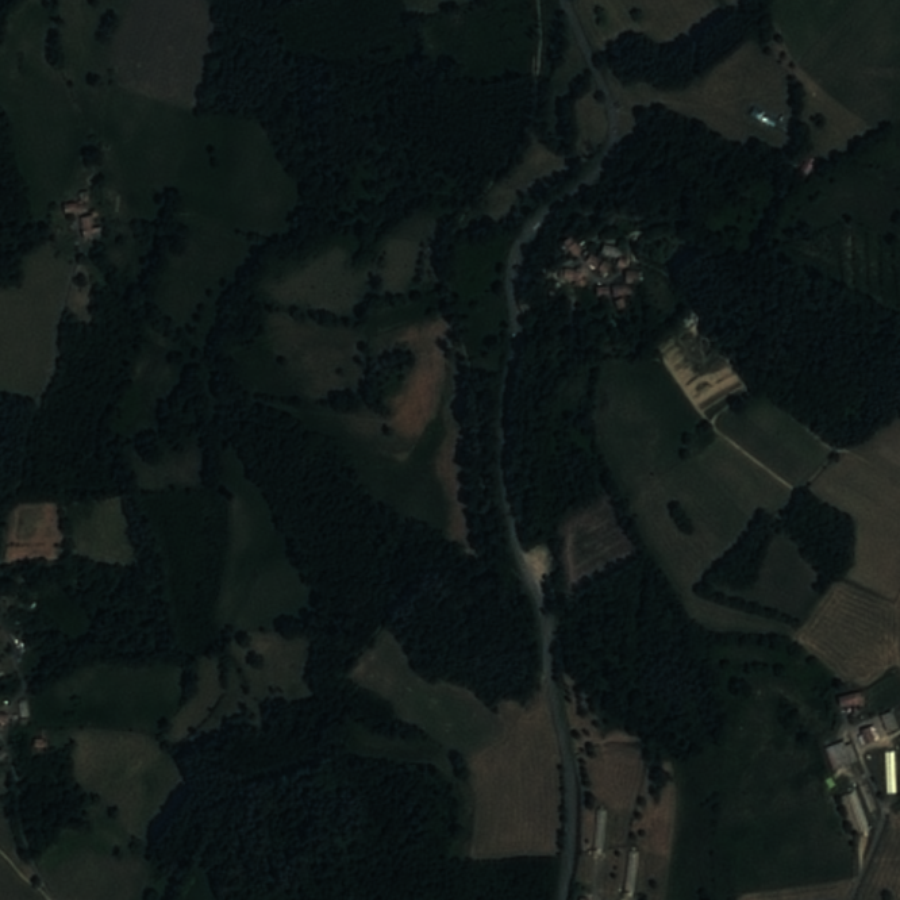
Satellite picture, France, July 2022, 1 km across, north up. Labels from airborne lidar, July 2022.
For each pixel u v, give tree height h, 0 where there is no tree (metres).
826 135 0
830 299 30
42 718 0
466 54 0
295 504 11
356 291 0
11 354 0
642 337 7
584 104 0
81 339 10
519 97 9
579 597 8
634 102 0
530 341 22
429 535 21
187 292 0
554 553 9
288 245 21
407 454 0
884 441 0
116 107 0
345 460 10
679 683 18
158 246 20
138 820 0
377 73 9
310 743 10
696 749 11
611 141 0
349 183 16
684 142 13
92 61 0
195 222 0
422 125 14
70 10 0
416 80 9
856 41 0
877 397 22
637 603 9
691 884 0
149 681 0
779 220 18
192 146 0
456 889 8
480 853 0
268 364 0
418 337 0
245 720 8
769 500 0
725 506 0
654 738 15
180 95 0
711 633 11
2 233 22
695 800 0
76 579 7
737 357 9
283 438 14
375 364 18
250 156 0
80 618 0
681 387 0
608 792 0
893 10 0
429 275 7
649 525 0
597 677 8
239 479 0
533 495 18
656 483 0
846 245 0
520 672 19
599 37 0
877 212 0
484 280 0
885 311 21
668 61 28
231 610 0
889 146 0
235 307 21
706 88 0
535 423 10
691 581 0
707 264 35
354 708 9
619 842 0
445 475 0
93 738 0
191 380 20
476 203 19
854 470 0
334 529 12
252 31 23
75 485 7
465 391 27
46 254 0
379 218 17
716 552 0
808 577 0
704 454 0
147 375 0
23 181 18
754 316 29
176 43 0
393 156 16
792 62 6
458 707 0
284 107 12
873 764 0
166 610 23
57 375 10
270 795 24
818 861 0
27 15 0
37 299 0
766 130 0
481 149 10
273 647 0
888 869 0
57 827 25
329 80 31
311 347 0
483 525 22
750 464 0
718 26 27
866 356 19
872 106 0
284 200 0
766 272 20
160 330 20
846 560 18
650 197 24
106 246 16
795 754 0
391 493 0
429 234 0
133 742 0
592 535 0
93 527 0
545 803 0
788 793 0
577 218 20
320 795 25
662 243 9
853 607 0
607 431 0
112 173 0
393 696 0
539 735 0
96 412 10
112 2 0
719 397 0
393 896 14
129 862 0
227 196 0
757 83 0
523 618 10
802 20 0
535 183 0
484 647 21
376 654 0
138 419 0
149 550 21
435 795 15
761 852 0
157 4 0
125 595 22
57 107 0
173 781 0
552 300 10
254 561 0
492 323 0
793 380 26
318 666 16
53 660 15
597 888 0
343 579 13
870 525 0
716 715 18
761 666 13
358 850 17
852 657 0
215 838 15
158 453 24
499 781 0
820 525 17
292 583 0
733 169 14
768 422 0
